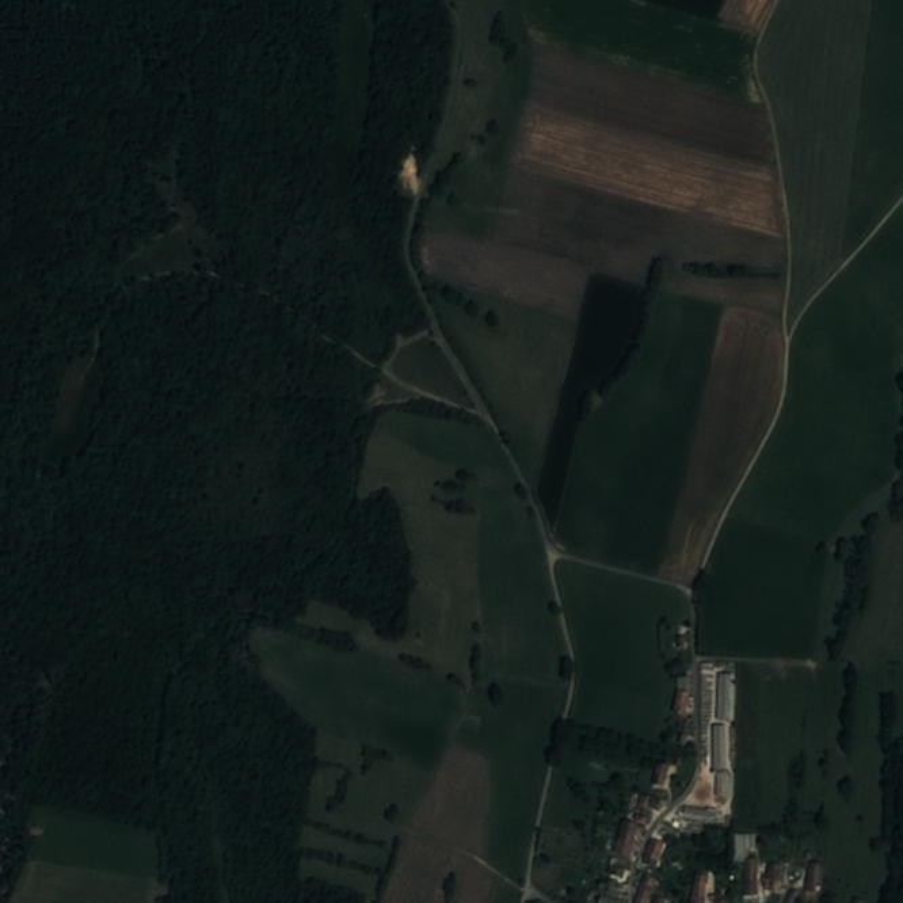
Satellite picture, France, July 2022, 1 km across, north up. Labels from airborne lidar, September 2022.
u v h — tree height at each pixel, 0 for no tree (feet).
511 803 0
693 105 0
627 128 0
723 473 0
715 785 0
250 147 58
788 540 0
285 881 22
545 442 0
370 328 23
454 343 27
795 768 28
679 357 0
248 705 55
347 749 0
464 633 0
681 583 0
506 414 0
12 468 76
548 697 0
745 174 0
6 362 57
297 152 36
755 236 0
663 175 0
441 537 0
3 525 88
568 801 0
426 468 0
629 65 0
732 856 31
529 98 0
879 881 0
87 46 68
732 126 0
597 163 0
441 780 0
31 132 73
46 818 0
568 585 0
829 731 0
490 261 0
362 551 28
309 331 51
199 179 33
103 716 25
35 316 47
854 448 0
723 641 0
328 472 40
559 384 0
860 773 0
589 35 0
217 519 18
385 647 0
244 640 96
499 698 65
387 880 48
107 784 49
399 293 17
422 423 0
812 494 0
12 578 61
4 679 86
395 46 73
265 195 53
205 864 30
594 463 0
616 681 0
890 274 0
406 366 0
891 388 0
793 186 0
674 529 0
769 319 0
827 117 0
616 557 0
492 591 0
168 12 47
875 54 0
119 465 51
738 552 0
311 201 40
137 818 27
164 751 49
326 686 0
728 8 0
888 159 0
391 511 49
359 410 23
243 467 55
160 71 51
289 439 21
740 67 0
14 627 59
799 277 0
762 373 0
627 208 0
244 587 49
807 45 0
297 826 49
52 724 35
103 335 29
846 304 0
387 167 67
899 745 56
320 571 41
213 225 31
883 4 0
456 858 0
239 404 27
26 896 0
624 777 39
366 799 0
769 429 0
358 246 28
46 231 58
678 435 0
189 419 53
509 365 0
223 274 47
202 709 48
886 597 0
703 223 0
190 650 25
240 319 30
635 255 0
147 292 46
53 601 70
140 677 20
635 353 58
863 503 0
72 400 0
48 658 82
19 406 99
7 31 63
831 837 0
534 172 0
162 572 61
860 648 0
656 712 0
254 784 35
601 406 0
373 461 0
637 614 0
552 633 0
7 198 72
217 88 63
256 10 77
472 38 0
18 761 85
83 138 47
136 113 55
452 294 59
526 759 0
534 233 0
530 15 0
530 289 0
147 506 50
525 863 0
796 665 0
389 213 58
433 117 58
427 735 0
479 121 0
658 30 0
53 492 44
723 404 0
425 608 0
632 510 0
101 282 87
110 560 63
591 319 0
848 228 0
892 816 27
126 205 56
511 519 0
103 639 35
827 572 0
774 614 0
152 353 51
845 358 0
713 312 0
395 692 0
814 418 0
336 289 27
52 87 72
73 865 0
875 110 0
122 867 0
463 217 0
